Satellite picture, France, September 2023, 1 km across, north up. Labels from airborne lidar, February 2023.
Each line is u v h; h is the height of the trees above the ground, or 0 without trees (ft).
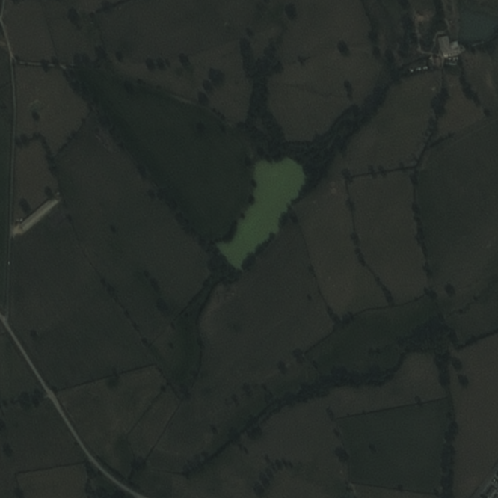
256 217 0
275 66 41
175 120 0
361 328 0
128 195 0
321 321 0
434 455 0
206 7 0
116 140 40
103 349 0
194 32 0
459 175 0
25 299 0
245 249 0
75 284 0
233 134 0
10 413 0
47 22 0
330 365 0
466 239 0
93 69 46
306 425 0
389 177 0
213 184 0
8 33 0
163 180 0
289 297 0
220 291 0
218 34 0
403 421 0
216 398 0
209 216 0
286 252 0
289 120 0
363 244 0
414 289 0
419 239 45
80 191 0
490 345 0
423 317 0
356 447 0
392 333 0
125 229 0
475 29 0
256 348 0
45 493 0
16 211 0
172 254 0
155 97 0
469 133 0
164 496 0
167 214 0
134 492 0
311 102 0
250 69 70
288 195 0
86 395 0
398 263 0
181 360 0
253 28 0
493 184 0
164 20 0
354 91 0
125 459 0
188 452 0
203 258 0
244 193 0
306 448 0
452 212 0
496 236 0
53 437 0
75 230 0
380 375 68
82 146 0
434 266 0
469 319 0
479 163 0
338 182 0
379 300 0
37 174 0
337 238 0
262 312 0
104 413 0
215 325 0
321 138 33
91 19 26
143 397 0
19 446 0
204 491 0
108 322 0
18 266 0
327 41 0
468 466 0
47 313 0
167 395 0
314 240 0
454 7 0
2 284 0
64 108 0
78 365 0
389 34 0
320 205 0
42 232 0
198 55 0
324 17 0
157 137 0
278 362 0
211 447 0
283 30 0
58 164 0
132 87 58
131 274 0
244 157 0
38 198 0
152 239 0
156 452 0
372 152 0
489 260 0
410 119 0
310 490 0
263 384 0
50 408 0
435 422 0
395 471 0
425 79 0
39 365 0
